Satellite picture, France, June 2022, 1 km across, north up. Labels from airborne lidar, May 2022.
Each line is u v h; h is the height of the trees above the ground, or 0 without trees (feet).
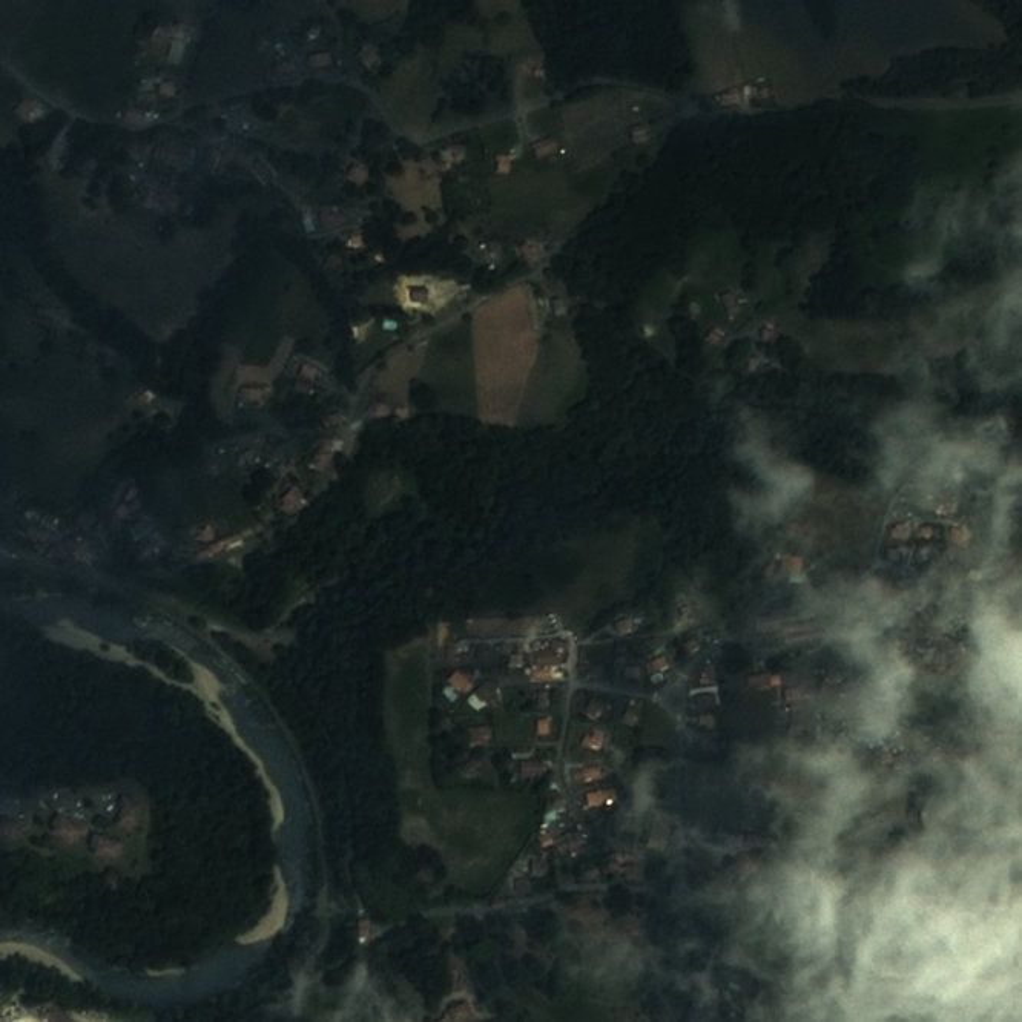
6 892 60
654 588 45
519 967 87
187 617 0
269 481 55
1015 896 32
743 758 0
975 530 0
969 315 0
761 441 85
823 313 64
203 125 0
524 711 33
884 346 0
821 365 0
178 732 102
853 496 0
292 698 69
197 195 79
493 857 0
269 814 59
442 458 77
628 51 83
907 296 73
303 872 0
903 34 0
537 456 94
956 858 0
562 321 0
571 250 37
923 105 0
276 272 0
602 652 0
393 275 60
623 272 63
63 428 0
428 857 55
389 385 0
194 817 82
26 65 0
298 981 73
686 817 0
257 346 0
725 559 66
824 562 0
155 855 43
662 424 89
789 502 41
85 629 0
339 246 41
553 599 0
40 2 0
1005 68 32
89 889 72
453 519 33
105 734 73
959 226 68
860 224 0
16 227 93
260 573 83
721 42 0
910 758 0
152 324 0
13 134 0
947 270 23
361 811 85
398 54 60
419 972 96
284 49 0
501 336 0
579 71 56
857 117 57
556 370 0
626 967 20
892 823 0
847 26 0
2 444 0
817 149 54
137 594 0
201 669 0
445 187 28
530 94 0
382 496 0
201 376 55
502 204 0
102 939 72
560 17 45
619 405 71
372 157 53
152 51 0
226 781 44
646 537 0
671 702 0
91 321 64
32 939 0
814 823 0
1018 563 0
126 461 58
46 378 0
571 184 0
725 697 54
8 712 49
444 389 0
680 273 32
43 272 73
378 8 0
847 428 86
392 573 97
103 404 0
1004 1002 92
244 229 39
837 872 0
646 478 32
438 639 0
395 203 35
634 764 35
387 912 37
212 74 0
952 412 26
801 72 0
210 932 54
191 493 0
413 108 0
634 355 54
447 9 61
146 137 21
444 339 0
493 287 71
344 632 80
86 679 84
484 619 0
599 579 0
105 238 0
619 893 59
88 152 49
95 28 0
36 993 70
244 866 63
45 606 0
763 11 0
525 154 0
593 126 0
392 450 115
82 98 0
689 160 66
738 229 45
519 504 77
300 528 24
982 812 0
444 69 0
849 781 0
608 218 50
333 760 45
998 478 33
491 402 0
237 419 0
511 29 0
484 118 0
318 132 0
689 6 0
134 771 67
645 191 60
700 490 71
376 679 73
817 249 0
